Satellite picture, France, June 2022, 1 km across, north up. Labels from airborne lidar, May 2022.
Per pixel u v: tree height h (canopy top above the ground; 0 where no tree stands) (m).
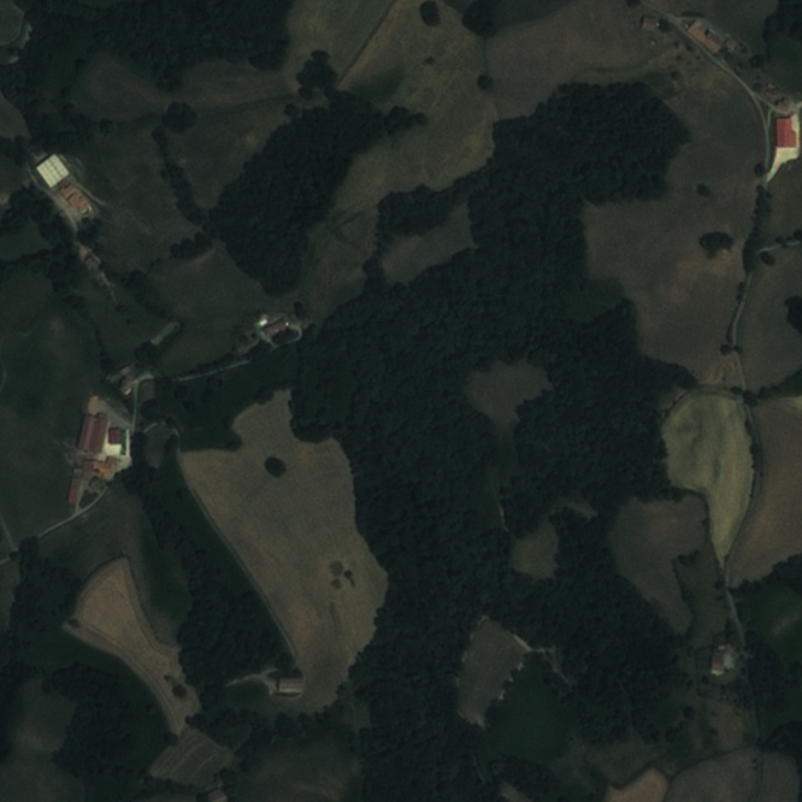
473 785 10
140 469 16
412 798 25
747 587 16
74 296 14
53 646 0
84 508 0
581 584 25
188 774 0
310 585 0
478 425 26
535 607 27
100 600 0
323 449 0
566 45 0
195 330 0
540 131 21
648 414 18
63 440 0
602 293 0
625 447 19
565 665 9
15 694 10
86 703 9
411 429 23
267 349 12
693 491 6
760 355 0
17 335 0
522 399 0
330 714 8
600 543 15
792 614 0
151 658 0
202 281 0
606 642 23
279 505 0
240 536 0
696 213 0
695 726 0
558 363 25
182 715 0
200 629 23
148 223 0
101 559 0
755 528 0
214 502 0
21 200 20
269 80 0
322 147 22
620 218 0
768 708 12
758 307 0
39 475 0
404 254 0
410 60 0
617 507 15
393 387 21
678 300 0
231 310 0
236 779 6
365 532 13
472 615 18
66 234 18
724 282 0
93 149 0
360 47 0
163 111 0
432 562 21
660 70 0
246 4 21
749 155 0
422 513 24
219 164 0
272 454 0
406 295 13
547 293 15
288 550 0
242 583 0
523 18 0
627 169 23
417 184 0
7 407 0
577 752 0
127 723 16
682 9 0
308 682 0
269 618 0
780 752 10
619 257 0
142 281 14
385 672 12
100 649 0
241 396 0
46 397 0
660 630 15
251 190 13
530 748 0
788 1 15
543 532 0
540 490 14
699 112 0
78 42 0
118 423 0
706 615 0
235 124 0
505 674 0
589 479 20
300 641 0
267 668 0
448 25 0
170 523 15
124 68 0
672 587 0
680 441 0
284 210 22
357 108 27
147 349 16
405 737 18
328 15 0
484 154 0
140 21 14
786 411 0
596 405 20
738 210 0
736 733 0
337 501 0
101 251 14
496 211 23
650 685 19
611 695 17
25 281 0
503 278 24
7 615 0
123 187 0
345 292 0
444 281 26
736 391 8
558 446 16
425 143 0
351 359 17
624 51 0
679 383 16
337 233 0
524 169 22
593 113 23
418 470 28
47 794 0
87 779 6
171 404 0
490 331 15
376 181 0
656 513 0
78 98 0
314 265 0
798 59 0
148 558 0
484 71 0
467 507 6
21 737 0
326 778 0
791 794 0
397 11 0
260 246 22
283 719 14
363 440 26
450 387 26
